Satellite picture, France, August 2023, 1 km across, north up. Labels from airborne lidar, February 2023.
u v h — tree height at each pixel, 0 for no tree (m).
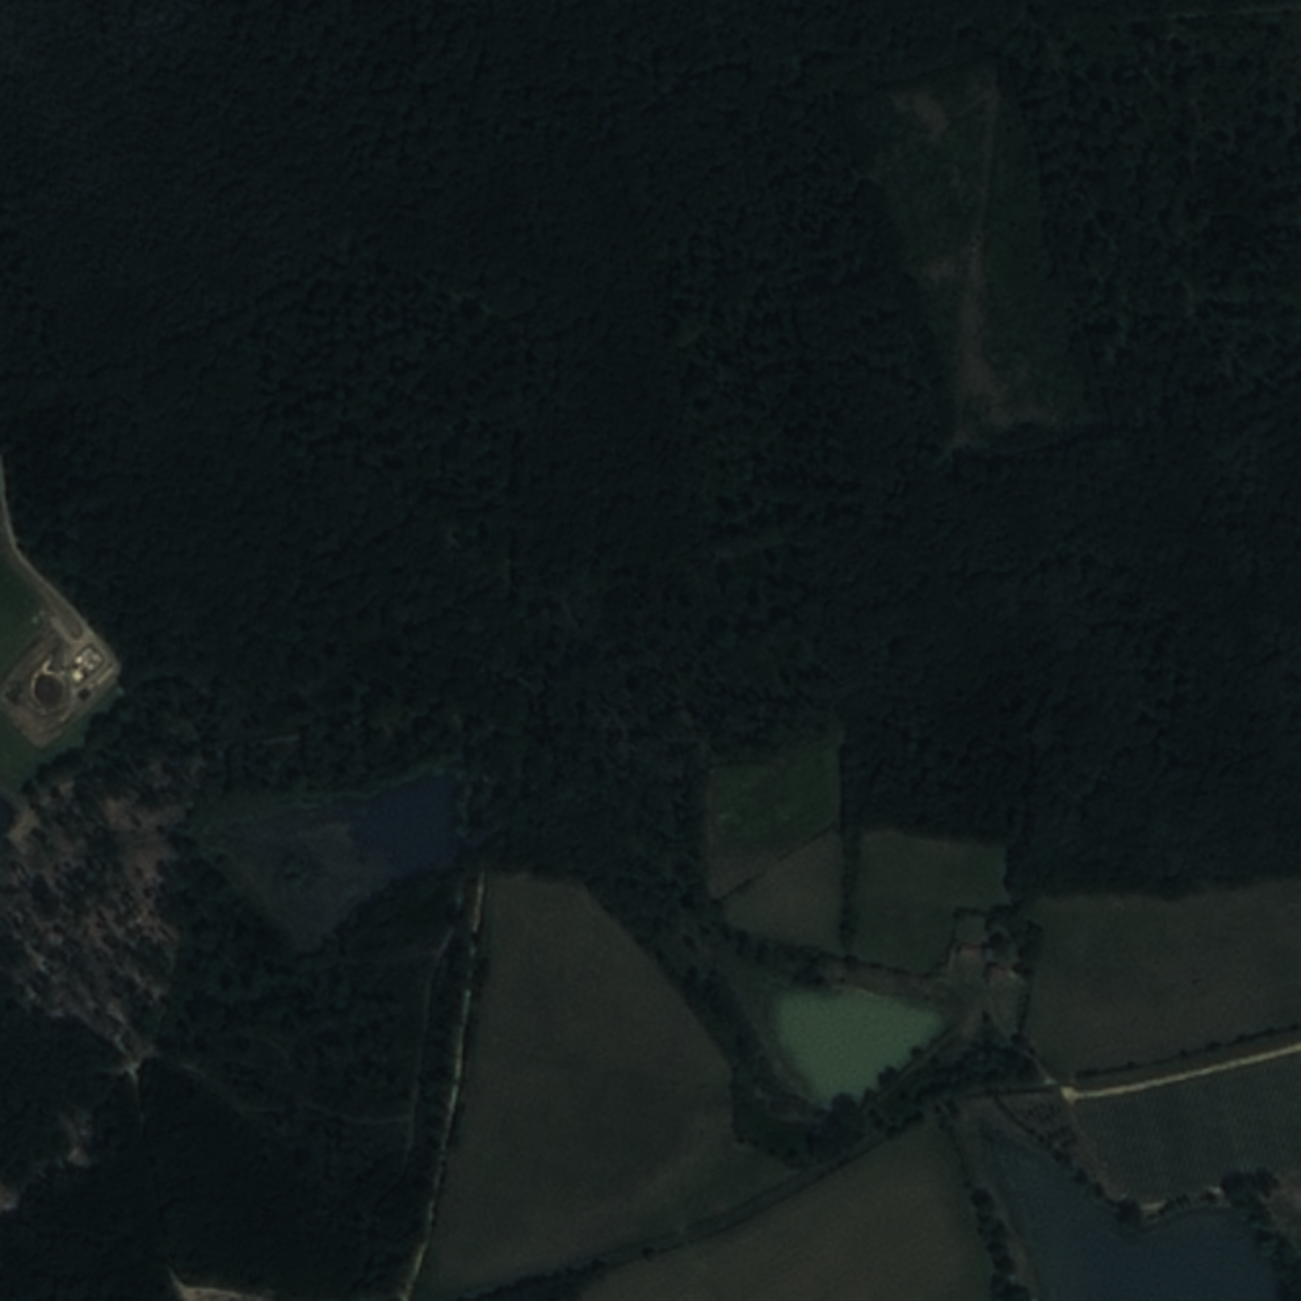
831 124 19
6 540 0
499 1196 0
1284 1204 0
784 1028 0
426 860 0
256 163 26
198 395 26
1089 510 20
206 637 25
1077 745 22
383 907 15
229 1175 7
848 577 18
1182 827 24
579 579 19
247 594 20
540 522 16
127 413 20
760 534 23
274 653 25
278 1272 15
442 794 0
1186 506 19
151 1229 11
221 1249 16
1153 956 0
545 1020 0
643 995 0
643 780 21
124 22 21
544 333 15
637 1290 0
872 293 28
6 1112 17
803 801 0
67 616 0
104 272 19
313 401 23
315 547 24
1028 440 9
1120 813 25
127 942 19
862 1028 0
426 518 25
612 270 16
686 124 25
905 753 9
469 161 18
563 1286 12
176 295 16
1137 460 18
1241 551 17
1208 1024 0
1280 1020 0
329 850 0
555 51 26
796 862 0
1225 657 18
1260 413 16
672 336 22
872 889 0
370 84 23
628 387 14
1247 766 21
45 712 0
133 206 15
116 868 22
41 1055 18
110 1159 17
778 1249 0
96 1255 11
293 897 0
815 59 27
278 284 15
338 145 28
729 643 22
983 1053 17
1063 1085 0
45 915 23
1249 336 23
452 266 19
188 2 24
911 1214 0
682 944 0
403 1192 8
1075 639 22
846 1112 19
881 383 26
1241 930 0
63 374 24
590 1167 0
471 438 24
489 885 0
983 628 21
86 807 18
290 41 24
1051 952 0
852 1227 0
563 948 0
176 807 16
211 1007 22
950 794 23
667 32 28
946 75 9
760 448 19
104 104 14
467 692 23
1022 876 25
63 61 14
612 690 21
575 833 26
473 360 9
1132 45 0
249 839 0
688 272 19
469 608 24
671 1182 0
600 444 14
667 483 19
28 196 18
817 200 21
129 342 16
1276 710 19
